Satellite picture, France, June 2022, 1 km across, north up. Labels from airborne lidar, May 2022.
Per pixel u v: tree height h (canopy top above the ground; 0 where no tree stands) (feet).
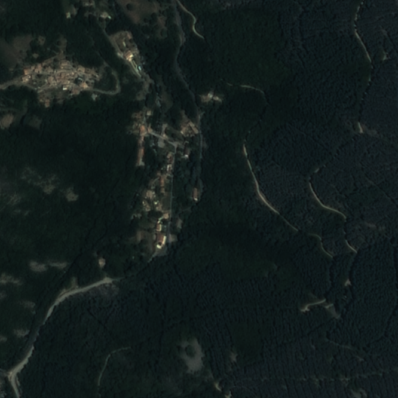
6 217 25
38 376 51
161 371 69
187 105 64
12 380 0
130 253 19
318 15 104
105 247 50
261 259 82
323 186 69
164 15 43
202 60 51
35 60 28
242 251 69
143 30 40
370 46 70
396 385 58
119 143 34
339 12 69
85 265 54
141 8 0
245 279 49
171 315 47
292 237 87
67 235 52
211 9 53
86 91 24
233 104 90
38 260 28
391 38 71
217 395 20
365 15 63
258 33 59
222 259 67
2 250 40
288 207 67
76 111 54
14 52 0
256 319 80
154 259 60
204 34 48
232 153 37
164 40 33
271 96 99
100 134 37
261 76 57
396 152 43
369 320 91
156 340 43
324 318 83
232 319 82
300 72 113
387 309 91
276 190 54
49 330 70
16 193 22
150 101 84
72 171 26
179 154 32
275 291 59
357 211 115
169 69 52
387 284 98
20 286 41
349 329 78
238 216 56
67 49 40
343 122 63
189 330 43
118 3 37
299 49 121
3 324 46
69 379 72
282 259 97
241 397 68
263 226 55
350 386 33
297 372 69
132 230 54
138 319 92
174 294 98
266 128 55
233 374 21
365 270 105
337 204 75
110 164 32
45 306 27
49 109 25
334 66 104
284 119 68
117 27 54
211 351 82
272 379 34
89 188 42
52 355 41
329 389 63
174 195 18
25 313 35
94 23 37
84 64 29
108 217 68
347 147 56
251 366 49
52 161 31
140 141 0
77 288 0
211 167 40
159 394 34
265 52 60
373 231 61
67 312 25
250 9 72
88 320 48
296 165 72
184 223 37
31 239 20
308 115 108
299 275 74
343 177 58
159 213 46
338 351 38
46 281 45
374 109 75
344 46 92
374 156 51
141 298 52
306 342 77
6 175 22
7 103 25
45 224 56
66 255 52
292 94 77
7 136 26
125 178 56
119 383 20
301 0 70
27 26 53
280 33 62
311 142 78
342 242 66
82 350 42
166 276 68
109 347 42
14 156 36
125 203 83
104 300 23
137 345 44
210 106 19
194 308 56
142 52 21
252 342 53
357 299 105
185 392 39
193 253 49
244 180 40
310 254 102
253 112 73
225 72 68
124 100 35
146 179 24
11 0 35
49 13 53
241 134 35
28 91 39
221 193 46
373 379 61
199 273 63
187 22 39
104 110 57
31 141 37
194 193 0
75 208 48
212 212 53
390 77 89
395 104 67
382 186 81
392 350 89
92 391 40
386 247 103
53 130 24
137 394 25
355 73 54
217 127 37
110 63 38
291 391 57
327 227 87
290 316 75
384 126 63
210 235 82
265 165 73
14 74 27
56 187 19
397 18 59
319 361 61
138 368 37
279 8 109
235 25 53
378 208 67
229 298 87
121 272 44
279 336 84
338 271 108
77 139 47
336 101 94
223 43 64
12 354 55
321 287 107
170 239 0
